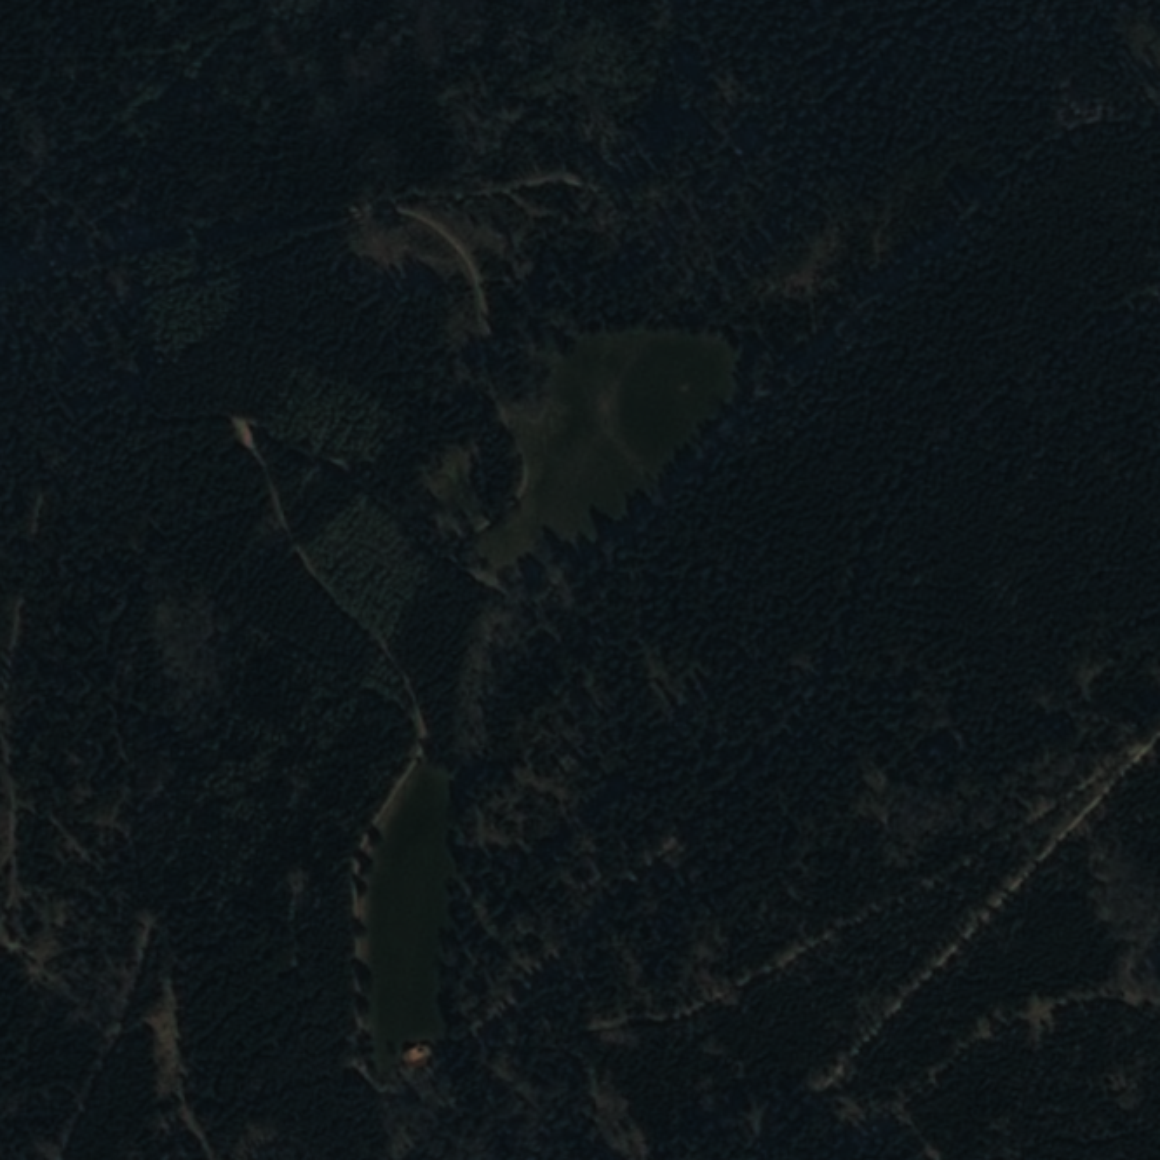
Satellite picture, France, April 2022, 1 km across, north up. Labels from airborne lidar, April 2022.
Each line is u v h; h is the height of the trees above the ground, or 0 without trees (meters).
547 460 0
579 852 26
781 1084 7
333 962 25
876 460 28
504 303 9
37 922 6
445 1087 22
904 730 24
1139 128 27
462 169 13
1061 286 25
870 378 27
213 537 23
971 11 31
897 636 23
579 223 33
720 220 38
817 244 29
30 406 31
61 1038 9
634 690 30
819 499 25
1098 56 26
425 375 32
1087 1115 10
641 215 42
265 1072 23
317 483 22
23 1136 13
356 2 12
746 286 34
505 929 26
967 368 29
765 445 29
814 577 27
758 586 28
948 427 28
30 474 27
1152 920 11
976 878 10
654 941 23
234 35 9
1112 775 6
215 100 17
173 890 19
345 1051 24
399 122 11
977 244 28
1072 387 29
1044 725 22
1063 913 12
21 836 9
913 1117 8
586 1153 28
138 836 18
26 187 8
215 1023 19
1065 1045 8
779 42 35
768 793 28
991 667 26
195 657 19
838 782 26
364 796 18
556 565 24
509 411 19
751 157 31
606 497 0
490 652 21
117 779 29
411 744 20
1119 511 24
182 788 19
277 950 18
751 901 25
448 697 22
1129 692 9
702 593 29
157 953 12
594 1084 27
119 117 13
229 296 22
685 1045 10
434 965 0
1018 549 24
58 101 9
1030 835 9
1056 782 10
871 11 35
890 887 12
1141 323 20
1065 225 25
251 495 24
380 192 14
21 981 7
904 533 22
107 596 7
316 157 19
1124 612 23
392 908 0
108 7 19
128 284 7
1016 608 24
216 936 20
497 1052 29
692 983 8
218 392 18
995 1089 7
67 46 14
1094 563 20
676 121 8
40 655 6
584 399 0
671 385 0
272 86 16
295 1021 19
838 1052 8
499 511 23
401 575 22
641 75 14
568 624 12
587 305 30
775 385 30
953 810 20
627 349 0
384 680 19
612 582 34
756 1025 10
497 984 20
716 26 37
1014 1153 10
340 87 15
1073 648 27
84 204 10
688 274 36
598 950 29
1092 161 27
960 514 22
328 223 20
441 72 10
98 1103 11
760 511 28
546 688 8
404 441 20
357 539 23
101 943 6
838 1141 25
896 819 11
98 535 27
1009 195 28
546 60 12
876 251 0
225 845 19
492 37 11
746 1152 30
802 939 11
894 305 29
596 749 28
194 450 19
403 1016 0
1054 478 23
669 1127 11
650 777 28
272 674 20
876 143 28
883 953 11
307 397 23
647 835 30
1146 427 26
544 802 13
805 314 6
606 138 11
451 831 0
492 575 14
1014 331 25
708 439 16
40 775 6
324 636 21
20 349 35
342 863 21
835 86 35
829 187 30
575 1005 27
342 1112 22
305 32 14
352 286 26
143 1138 8
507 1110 22
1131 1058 10
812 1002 10
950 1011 8
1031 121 26
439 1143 23
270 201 17
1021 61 30
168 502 17
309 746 19
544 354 22
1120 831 9
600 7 21
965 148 28
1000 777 23
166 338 18
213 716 17
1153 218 18
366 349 23
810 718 25
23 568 27
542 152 9
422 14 14
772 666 33
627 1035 12
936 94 28
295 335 23
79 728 28
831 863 9
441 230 0
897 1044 8
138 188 11
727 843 29
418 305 30
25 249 13
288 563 21
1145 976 10
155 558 18
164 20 15
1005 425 26
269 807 22
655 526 29
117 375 33
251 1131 19
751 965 8
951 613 25
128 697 22
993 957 8
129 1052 12
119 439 29
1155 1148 10
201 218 15
